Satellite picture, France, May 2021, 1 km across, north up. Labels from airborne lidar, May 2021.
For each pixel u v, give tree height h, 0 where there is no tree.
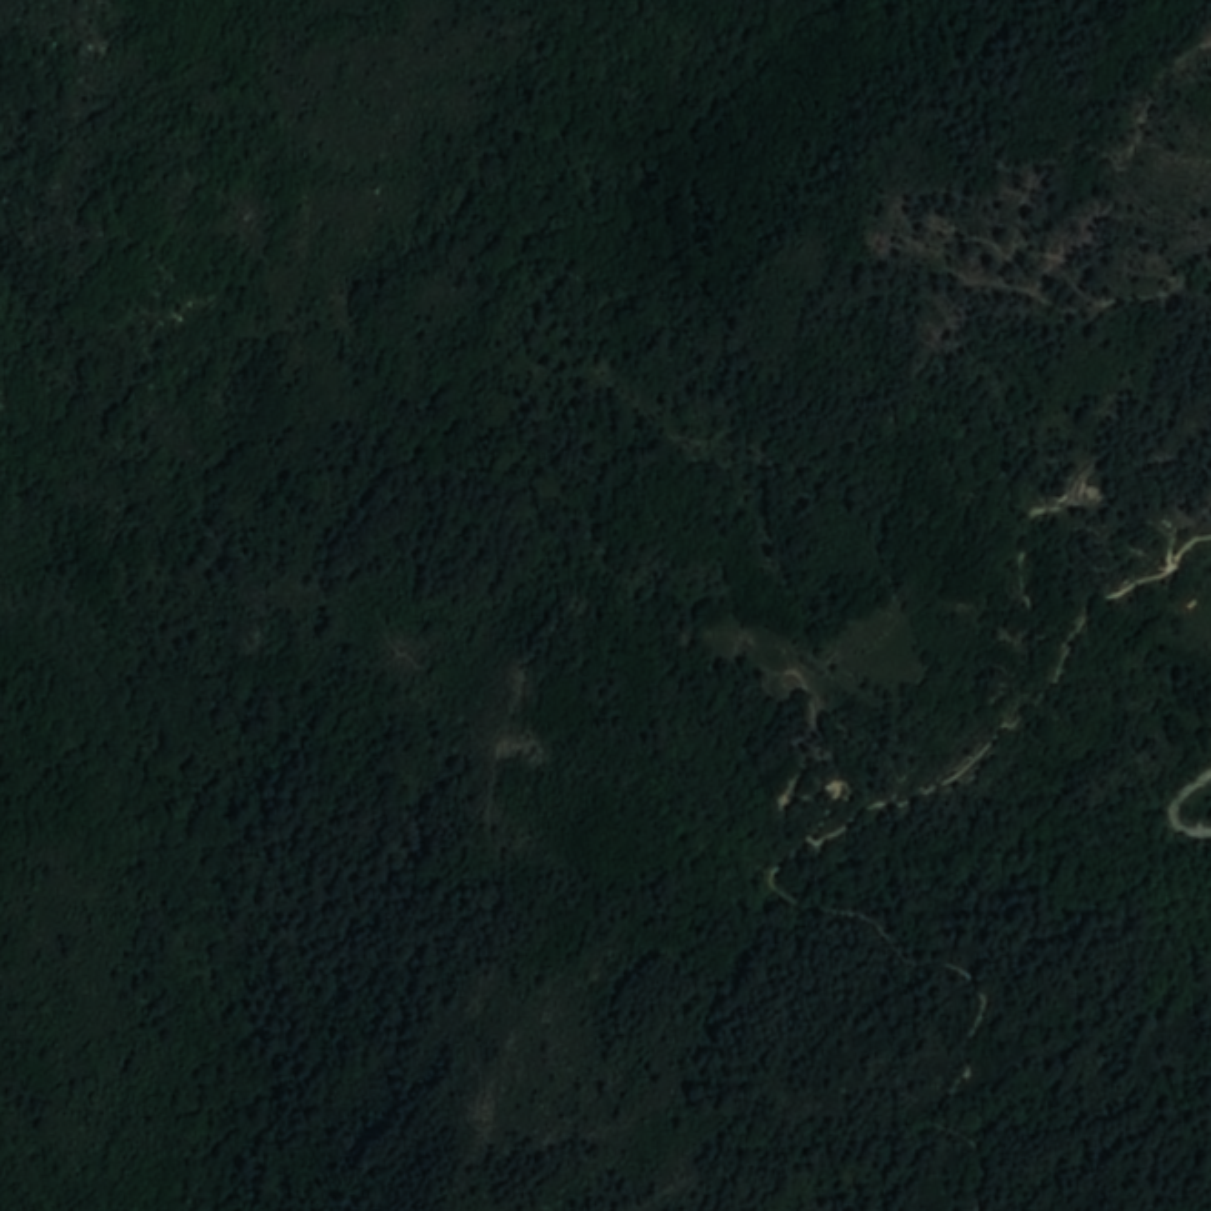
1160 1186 24
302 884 9
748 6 26
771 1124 26
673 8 19
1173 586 12
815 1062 14
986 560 22
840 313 12
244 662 11
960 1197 22
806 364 14
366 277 8
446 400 19
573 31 16
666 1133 6
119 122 9
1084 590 7
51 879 15
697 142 34
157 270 10
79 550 10
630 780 13
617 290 22
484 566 26
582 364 21
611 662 22
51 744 19
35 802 15
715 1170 21
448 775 7
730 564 16
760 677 21
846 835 7
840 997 19
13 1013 17
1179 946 14
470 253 6
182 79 7
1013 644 10
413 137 6
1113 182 6
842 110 16
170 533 12
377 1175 18
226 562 20
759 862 12
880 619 0
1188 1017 6
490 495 23
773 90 33
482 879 6
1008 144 12
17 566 18
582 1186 6
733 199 27
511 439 13
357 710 8
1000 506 7
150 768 13
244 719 14
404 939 29
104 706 18
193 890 19
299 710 19
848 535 7
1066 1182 22
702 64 9
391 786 27
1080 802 20
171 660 16
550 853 8
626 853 17
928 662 10
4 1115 12
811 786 19
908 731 13
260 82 9
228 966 15
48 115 6
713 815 15
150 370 12
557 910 14
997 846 22
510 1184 17
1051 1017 10
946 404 7
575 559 20
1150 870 13
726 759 12
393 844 29
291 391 13
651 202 26
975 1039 12
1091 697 13
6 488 10
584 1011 11
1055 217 8
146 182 11
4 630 20
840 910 15
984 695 14
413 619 7
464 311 7
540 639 15
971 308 14
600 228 29
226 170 10
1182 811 7
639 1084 9
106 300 15
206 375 15
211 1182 18
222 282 15
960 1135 11
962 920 22
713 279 18
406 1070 11
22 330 11
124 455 6
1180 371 20
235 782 9
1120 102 18
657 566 13
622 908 12
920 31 16
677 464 25
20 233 7
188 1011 11
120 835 19
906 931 14
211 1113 8
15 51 9
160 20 10
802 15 26
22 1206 10
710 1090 23
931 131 6
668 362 7
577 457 21
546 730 13
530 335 25
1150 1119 10
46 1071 8
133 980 6
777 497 19
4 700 18
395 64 9
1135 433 17
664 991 33
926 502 12
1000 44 21
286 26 6
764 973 19
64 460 13
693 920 16
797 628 19
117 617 15
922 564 17
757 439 17
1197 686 11
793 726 24
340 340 7
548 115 20
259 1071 20
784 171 25
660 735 24
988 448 16
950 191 7
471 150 8
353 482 9
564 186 20
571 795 8
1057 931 7
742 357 13
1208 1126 27
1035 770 9
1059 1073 32
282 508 11
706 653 11
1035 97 8
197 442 6
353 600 10
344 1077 13
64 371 16
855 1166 10
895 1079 19
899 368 19
